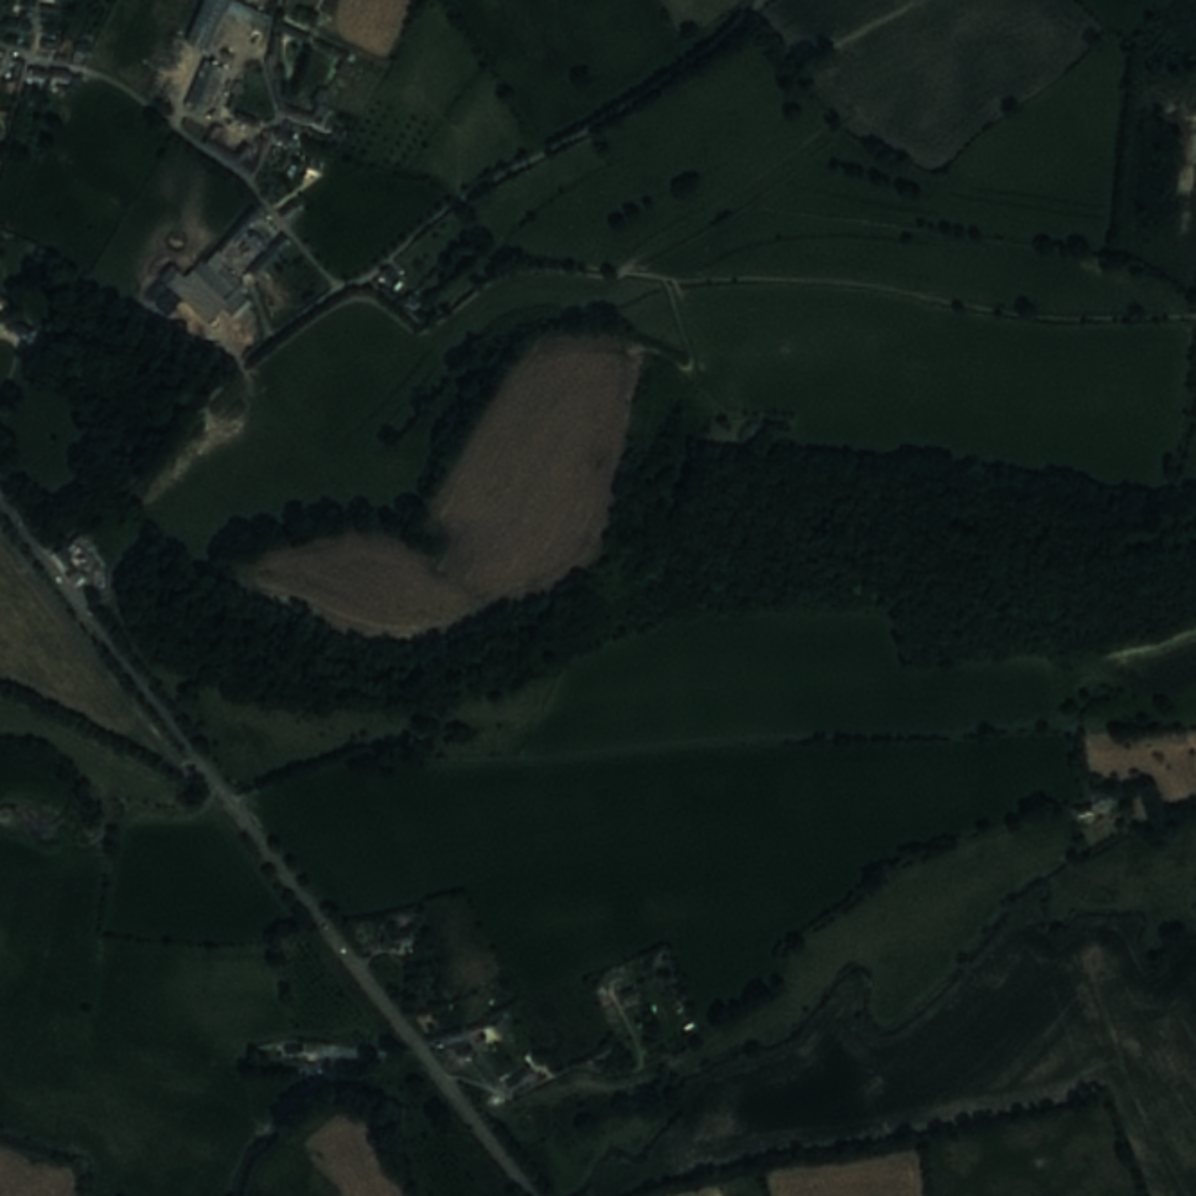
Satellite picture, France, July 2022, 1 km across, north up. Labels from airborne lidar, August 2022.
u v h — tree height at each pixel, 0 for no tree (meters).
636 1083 0
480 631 13
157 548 16
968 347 0
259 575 0
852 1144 8
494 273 15
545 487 0
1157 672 0
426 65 0
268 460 0
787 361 0
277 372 0
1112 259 16
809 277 0
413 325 7
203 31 0
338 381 0
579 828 0
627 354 0
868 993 0
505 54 0
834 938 0
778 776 0
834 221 0
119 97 0
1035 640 7
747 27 16
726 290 0
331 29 0
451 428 9
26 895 0
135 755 14
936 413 0
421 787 0
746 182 0
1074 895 0
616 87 0
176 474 0
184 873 0
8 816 0
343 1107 32
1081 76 0
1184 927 12
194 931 0
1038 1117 14
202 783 17
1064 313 0
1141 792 13
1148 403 0
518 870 0
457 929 0
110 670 13
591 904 0
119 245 0
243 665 23
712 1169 11
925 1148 14
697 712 0
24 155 14
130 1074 0
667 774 0
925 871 0
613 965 0
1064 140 0
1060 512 22
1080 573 23
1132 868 0
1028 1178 0
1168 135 8
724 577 19
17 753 17
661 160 0
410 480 0
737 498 23
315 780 0
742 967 0
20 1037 0
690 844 0
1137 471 0
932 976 0
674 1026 0
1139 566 24
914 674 10
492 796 0
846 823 0
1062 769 0
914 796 0
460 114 0
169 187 0
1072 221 0
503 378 9
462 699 23
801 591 18
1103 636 12
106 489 19
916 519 24
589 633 9
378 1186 0
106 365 26
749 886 0
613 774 0
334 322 0
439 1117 28
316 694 22
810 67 20
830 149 0
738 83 0
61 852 0
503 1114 0
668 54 0
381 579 0
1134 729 14
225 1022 0
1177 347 0
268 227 0
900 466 18
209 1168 0
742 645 0
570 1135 0
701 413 0
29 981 0
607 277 11
